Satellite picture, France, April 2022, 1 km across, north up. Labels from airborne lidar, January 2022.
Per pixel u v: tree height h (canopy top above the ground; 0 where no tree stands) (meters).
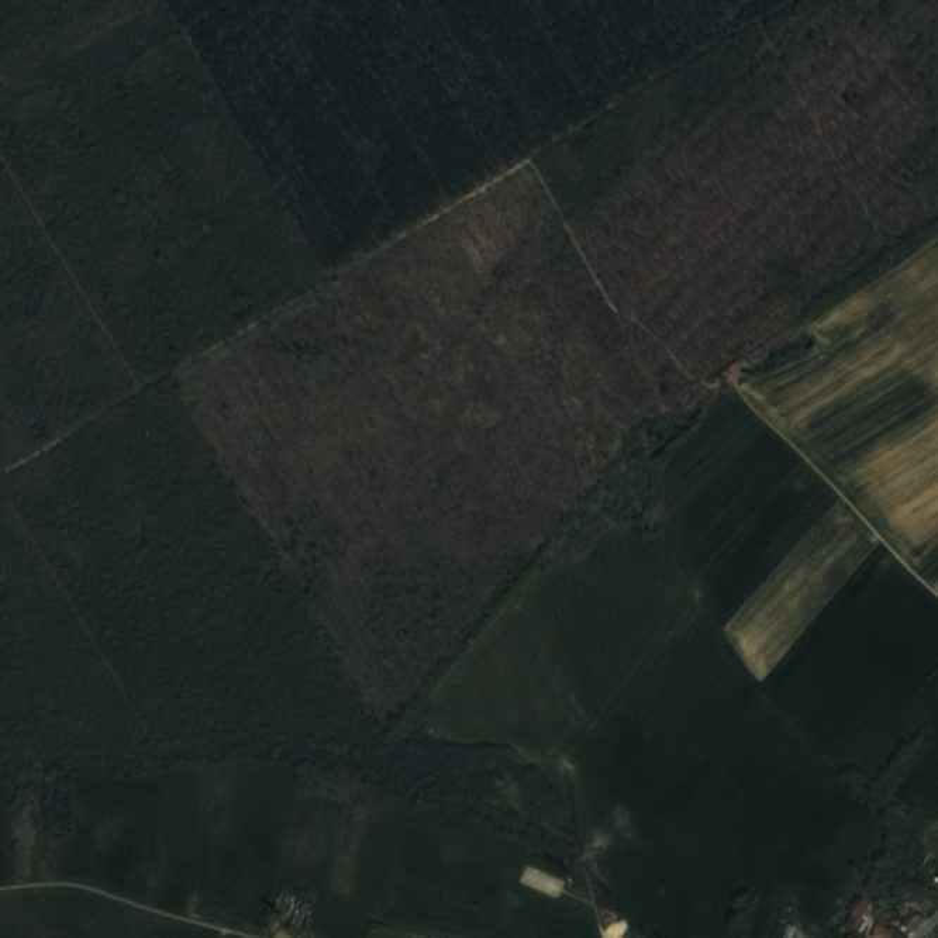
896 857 21
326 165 18
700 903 0
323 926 0
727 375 0
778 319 18
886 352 0
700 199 16
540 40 18
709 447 0
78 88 14
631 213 13
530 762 0
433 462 0
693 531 0
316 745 11
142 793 0
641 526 14
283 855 0
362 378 0
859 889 0
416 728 8
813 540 0
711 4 17
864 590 0
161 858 0
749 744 0
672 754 0
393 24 17
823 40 16
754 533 0
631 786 0
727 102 12
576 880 0
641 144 15
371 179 17
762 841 0
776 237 17
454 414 0
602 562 0
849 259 18
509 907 0
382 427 0
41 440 11
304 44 14
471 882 0
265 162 16
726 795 0
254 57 16
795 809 0
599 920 0
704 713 0
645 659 0
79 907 0
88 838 0
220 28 17
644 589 0
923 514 0
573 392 0
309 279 12
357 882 0
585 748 0
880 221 17
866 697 0
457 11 17
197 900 0
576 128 13
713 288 17
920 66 14
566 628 0
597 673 0
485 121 17
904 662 0
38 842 0
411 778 18
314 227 17
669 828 0
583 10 14
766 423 0
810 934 13
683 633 0
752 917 21
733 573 0
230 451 0
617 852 0
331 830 0
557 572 0
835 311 0
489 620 9
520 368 0
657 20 18
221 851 0
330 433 0
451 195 16
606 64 18
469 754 18
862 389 0
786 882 0
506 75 16
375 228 18
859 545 0
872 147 16
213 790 0
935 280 0
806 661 0
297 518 0
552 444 0
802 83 15
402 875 0
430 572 0
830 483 0
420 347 0
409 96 19
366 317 0
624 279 16
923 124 17
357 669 0
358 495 0
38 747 12
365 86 18
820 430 0
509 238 0
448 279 0
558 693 0
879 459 0
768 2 16
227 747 7
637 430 0
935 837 0
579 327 0
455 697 0
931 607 0
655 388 21
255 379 0
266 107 19
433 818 0
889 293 0
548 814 14
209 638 10
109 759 9
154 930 0
